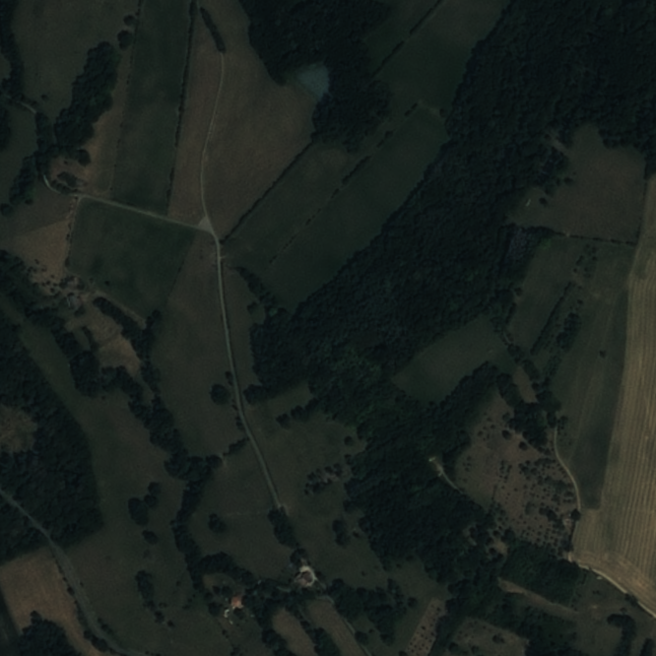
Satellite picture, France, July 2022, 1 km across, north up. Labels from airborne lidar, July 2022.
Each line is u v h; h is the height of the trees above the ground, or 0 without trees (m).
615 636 0
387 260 15
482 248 11
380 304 25
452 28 0
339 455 0
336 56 23
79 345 21
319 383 24
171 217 0
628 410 0
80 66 0
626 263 0
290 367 30
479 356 0
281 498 0
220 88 0
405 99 0
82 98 9
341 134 22
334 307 19
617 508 0
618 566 0
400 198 0
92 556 0
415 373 0
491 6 0
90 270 0
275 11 23
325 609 0
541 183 21
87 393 15
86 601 0
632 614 0
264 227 0
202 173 0
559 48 25
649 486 0
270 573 0
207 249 0
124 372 13
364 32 19
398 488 22
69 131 19
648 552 0
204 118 0
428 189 15
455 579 15
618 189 0
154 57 0
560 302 6
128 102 0
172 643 0
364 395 15
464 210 21
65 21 0
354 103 29
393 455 16
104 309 21
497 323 10
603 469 0
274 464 0
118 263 0
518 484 0
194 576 15
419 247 12
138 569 0
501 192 13
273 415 0
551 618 6
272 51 20
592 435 0
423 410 15
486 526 19
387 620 22
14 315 0
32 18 0
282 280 0
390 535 23
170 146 0
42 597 0
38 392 25
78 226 0
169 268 0
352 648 0
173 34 0
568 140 25
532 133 18
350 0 20
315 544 0
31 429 20
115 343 0
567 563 14
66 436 29
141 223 0
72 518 25
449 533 21
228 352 0
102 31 0
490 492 0
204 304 0
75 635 0
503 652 0
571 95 24
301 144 0
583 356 0
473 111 22
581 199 0
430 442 17
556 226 0
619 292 0
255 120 0
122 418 0
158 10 0
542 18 27
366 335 24
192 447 0
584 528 0
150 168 0
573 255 0
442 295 23
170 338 0
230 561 22
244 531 0
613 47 22
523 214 0
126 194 0
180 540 21
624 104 26
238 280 0
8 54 22
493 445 0
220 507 0
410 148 0
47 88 0
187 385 0
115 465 0
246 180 0
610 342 0
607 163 0
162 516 0
